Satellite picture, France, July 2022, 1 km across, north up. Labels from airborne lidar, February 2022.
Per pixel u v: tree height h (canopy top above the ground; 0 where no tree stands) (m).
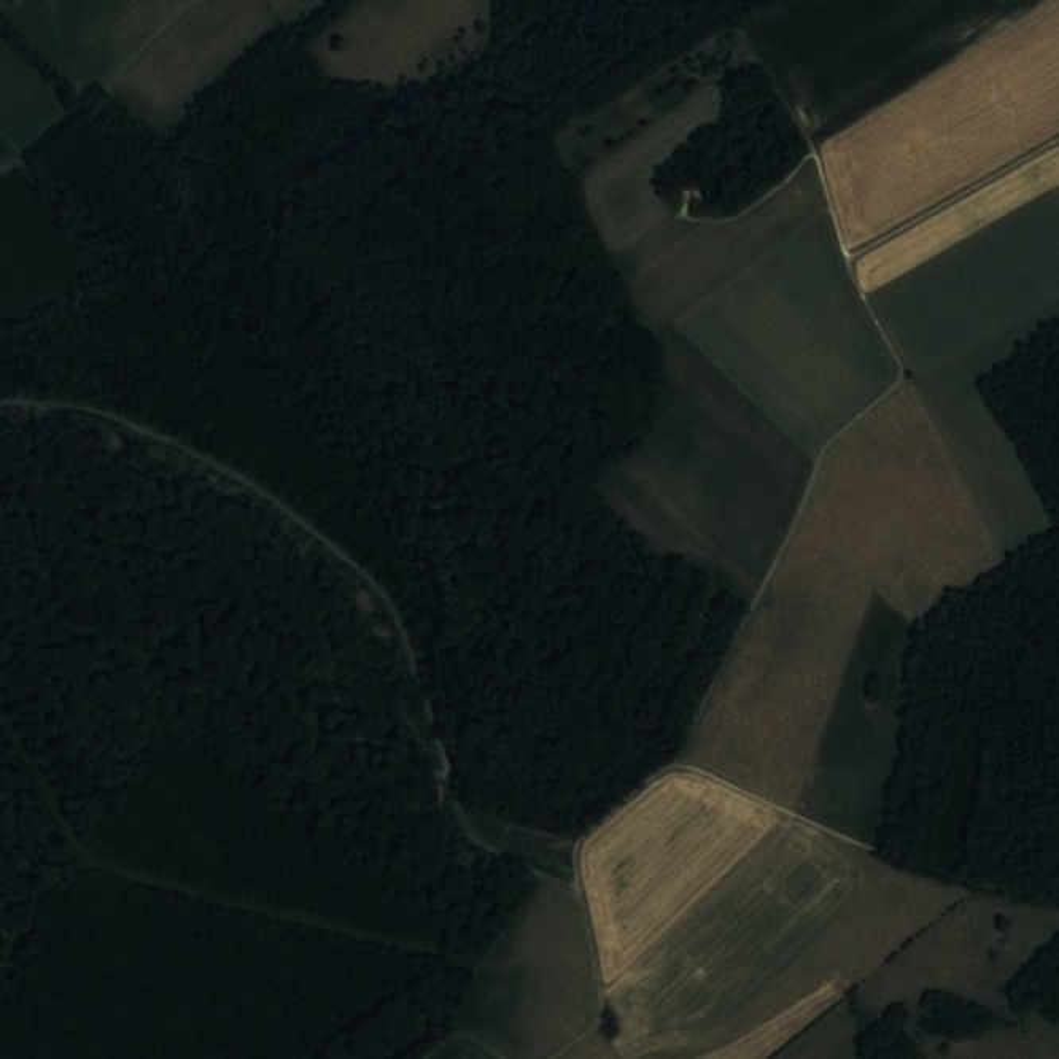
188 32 0
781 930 0
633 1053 0
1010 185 0
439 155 28
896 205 0
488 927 27
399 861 23
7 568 22
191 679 26
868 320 0
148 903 13
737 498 0
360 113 9
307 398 13
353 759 25
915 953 0
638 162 0
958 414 0
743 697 0
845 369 0
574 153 0
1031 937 0
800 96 0
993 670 19
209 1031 17
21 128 0
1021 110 0
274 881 14
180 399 6
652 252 0
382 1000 14
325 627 30
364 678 24
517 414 30
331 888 15
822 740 0
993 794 19
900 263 0
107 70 0
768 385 0
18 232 0
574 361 28
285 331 23
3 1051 14
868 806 0
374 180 24
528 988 0
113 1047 15
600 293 29
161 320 10
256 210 7
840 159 0
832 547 0
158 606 28
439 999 30
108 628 30
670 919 0
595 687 20
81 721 29
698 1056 0
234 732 26
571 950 0
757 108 23
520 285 23
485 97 25
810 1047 0
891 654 0
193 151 16
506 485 29
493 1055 0
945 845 6
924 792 28
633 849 0
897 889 0
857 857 0
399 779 24
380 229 25
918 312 0
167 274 26
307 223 21
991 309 0
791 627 0
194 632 25
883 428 0
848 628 0
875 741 0
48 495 28
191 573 28
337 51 12
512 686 19
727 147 24
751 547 0
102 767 29
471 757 27
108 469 26
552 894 0
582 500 29
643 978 0
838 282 0
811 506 0
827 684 0
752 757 0
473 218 27
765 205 0
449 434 32
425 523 31
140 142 22
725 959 0
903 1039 17
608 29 23
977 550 0
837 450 0
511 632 24
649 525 0
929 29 0
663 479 0
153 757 14
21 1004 13
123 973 15
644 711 23
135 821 16
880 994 0
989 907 0
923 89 0
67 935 16
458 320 26
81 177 26
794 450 0
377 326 28
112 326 7
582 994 0
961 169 0
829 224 0
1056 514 19
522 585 30
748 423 0
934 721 26
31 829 28
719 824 0
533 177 29
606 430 26
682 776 0
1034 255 0
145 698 25
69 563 27
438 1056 0
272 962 16
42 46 0
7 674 25
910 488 0
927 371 0
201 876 13
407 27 0
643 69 14
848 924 0
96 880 12
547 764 26
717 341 0
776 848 0
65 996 16
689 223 0
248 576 28
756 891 0
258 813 14
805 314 0
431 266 27
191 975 14
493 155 28
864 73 0
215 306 19
